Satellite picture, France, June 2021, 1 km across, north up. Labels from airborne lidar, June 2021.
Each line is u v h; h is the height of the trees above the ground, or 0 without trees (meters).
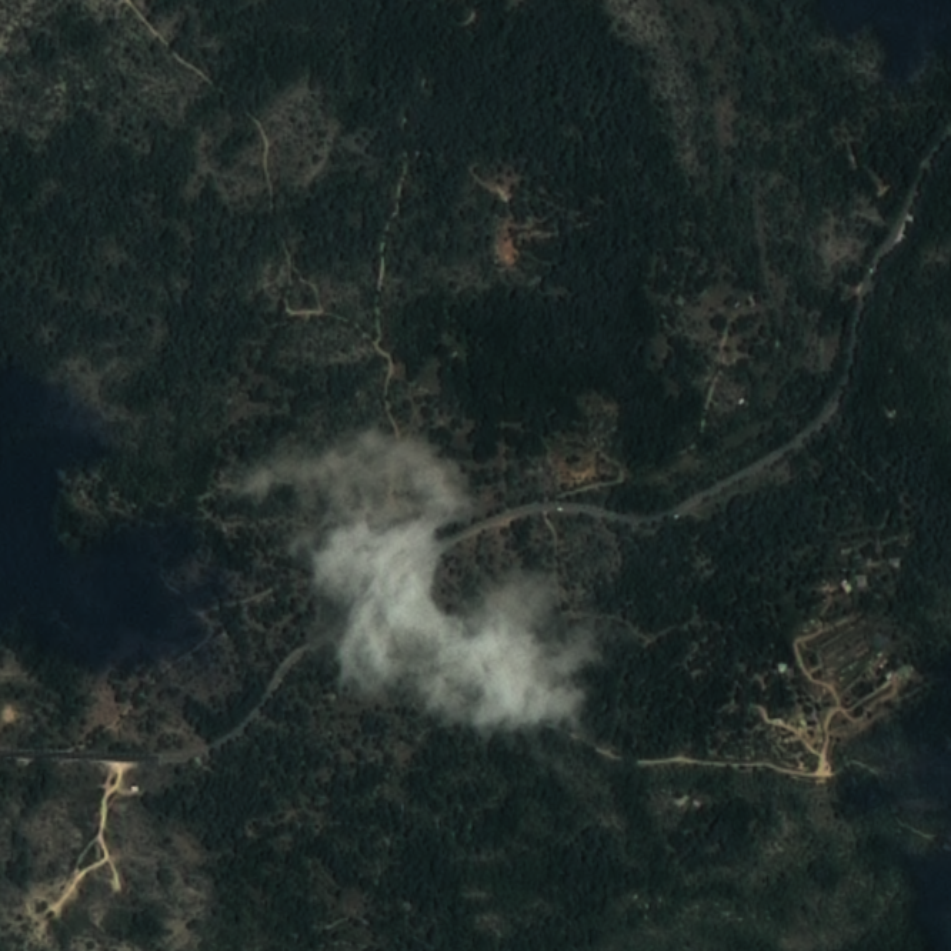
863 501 6
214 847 11
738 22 7
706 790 6
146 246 13
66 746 6
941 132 14
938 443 11
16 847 6
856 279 8
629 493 10
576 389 15
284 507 8
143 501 9
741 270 8
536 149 11
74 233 11
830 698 0
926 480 11
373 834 7
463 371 14
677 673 8
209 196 12
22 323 14
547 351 14
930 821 6
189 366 10
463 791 7
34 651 11
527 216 12
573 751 7
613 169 10
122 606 7
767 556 18
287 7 12
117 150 7
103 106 10
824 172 6
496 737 7
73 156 12
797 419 5
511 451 8
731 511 10
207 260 11
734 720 8
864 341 11
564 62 12
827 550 10
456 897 7
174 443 9
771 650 8
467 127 17
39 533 16
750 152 8
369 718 10
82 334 8
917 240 11
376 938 7
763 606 10
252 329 10
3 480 14
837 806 6
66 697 8
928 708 9
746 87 11
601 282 11
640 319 16
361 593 14
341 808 9
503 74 13
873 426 10
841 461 9
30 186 5
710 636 7
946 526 10
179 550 9
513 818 10
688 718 9
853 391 14
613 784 7
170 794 9
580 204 9
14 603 7
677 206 7
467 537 0
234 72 12
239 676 7
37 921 0
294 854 10
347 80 15
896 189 11
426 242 11
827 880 10
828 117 7
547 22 11
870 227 10
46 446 6
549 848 6
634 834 8
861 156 14
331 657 9
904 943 9
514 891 6
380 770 6
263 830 6
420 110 10
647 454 8
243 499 11
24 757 0
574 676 14
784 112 9
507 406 13
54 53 13
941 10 5
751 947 7
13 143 8
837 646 0
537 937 7
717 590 12
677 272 8
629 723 6
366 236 10
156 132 6
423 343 8
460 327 8
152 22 11
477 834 9
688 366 7
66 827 0
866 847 6
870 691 7
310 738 8
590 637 7
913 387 10
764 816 7
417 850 10
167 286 7
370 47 11
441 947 10
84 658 6
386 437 6
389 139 11
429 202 11
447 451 9
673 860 8
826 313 10
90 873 0
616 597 8
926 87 9
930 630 6
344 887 7
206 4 10
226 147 7
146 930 8
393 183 7
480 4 9
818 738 0
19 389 12
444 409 5
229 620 8
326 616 11
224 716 11
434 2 7
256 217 7
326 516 8
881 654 0
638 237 5
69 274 10
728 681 7
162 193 8
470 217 11
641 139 13
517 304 16
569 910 9
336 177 7
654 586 10
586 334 11
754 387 7
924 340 7
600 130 9
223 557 10
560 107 13
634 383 13
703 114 5
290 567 7
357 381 7
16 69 7
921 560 9
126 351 9
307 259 10
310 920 6
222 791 9
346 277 7
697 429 8
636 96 10
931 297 7
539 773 5
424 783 6
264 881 8
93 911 0
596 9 7
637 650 8
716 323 10
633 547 9
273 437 13
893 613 8
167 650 0
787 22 12
